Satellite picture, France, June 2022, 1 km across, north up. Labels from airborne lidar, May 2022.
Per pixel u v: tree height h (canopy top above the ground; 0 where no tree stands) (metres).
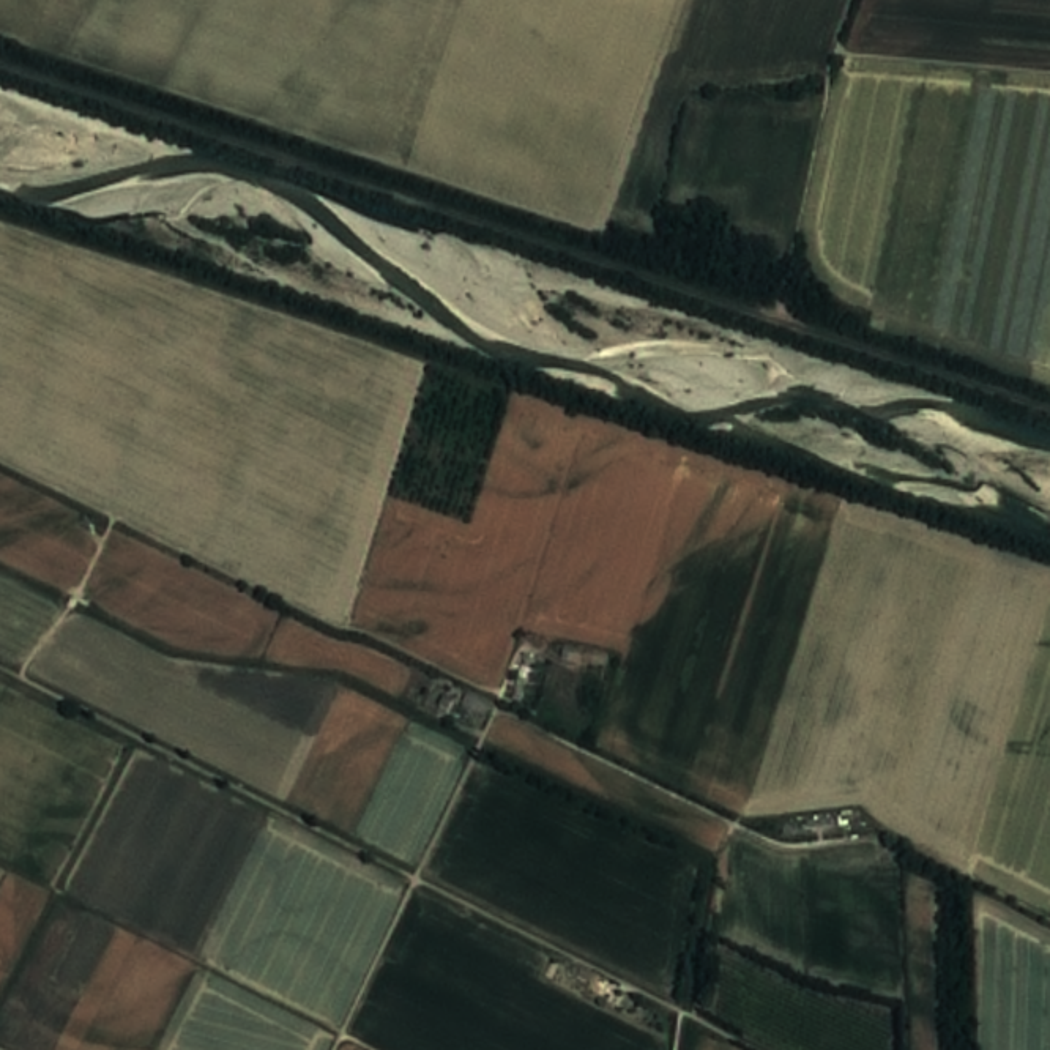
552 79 0
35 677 0
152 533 0
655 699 0
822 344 9
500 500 0
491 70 0
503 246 11
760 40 0
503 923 0
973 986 9
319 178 9
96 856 0
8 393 0
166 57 0
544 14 0
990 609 0
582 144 0
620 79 0
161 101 13
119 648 0
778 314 0
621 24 0
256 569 0
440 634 0
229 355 0
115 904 0
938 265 0
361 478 0
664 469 0
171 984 0
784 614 0
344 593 0
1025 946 0
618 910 0
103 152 0
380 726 0
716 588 0
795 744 0
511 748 0
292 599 0
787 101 7
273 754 0
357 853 0
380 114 0
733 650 0
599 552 0
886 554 0
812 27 0
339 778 0
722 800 0
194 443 0
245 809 0
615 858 0
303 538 0
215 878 0
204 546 0
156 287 0
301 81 0
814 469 16
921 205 0
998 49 0
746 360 0
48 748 0
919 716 0
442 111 0
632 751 0
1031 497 0
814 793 0
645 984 0
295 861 0
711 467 0
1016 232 0
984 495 0
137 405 0
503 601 0
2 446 0
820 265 0
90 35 0
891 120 0
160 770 0
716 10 0
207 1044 0
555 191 0
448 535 0
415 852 0
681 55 0
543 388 16
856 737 0
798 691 0
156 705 0
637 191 0
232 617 0
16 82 10
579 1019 0
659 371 0
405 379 0
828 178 0
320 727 0
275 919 0
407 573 0
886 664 0
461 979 0
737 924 0
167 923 0
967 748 0
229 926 0
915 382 13
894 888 0
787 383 0
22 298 0
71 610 0
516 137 0
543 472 0
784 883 0
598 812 6
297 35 0
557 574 0
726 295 6
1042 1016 0
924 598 0
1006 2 0
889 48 0
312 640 0
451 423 6
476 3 0
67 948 0
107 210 0
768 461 15
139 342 0
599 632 0
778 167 0
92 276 0
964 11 0
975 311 0
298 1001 0
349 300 0
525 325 0
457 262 0
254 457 0
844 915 0
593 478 0
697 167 0
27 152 0
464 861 0
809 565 0
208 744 0
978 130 0
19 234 0
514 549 0
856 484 19
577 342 0
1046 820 0
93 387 0
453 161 0
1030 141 0
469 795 0
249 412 0
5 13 0
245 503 0
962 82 0
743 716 0
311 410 0
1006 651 0
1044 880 0
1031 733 0
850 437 0
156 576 0
